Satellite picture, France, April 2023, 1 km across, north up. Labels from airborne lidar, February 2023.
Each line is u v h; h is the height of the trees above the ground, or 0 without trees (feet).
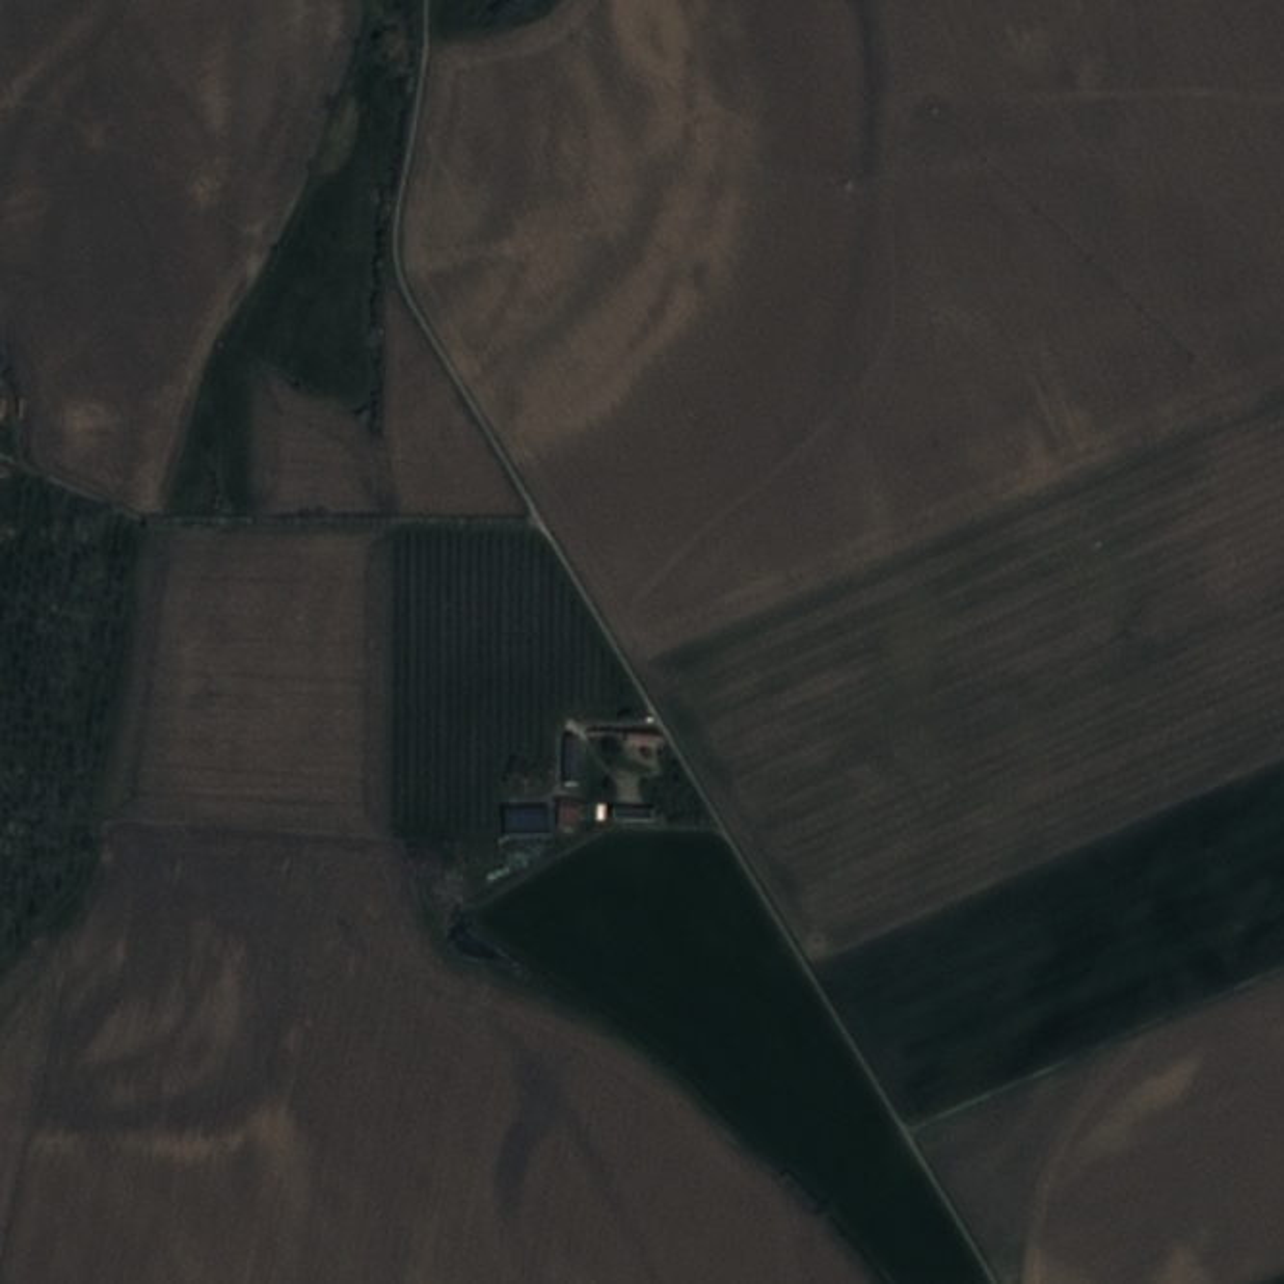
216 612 0
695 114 0
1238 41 0
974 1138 0
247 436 0
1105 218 0
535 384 0
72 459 0
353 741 0
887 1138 0
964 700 0
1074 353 0
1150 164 0
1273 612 0
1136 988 0
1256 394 0
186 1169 0
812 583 0
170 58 0
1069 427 0
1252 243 0
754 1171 0
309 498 0
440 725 22
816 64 0
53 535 42
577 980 0
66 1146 0
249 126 0
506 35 0
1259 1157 0
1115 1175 0
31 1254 0
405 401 0
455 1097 0
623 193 0
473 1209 0
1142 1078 0
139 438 0
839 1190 0
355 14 0
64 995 0
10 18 0
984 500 0
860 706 0
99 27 0
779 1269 0
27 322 0
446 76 0
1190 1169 0
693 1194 0
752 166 0
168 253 0
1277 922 0
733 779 0
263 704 0
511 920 0
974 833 0
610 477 0
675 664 0
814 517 0
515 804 0
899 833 0
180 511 0
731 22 0
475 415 0
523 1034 0
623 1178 0
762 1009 0
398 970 0
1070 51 0
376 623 0
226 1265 0
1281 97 0
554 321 0
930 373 0
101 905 0
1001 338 0
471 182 0
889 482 0
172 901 0
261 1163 0
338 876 0
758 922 0
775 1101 0
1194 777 0
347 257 0
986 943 0
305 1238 0
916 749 0
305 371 0
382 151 0
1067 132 0
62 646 42
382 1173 0
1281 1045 0
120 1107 0
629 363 0
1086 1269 0
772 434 0
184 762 0
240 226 0
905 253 0
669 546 0
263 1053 0
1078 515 0
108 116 0
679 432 0
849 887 0
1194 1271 0
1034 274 0
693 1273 0
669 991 0
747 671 0
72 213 0
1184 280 0
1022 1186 0
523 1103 0
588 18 0
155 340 0
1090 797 0
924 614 0
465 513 0
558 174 0
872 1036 0
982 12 0
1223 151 0
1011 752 0
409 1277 0
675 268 0
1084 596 0
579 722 0
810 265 0
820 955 0
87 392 0
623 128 0
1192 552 0
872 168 0
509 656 18
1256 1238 0
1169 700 0
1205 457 0
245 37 0
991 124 0
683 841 0
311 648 0
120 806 0
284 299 0
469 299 0
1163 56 0
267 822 0
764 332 0
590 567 0
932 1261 0
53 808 47
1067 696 0
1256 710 0
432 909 0
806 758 0
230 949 0
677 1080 0
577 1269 0
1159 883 0
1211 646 0
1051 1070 0
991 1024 0
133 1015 0
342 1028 0
